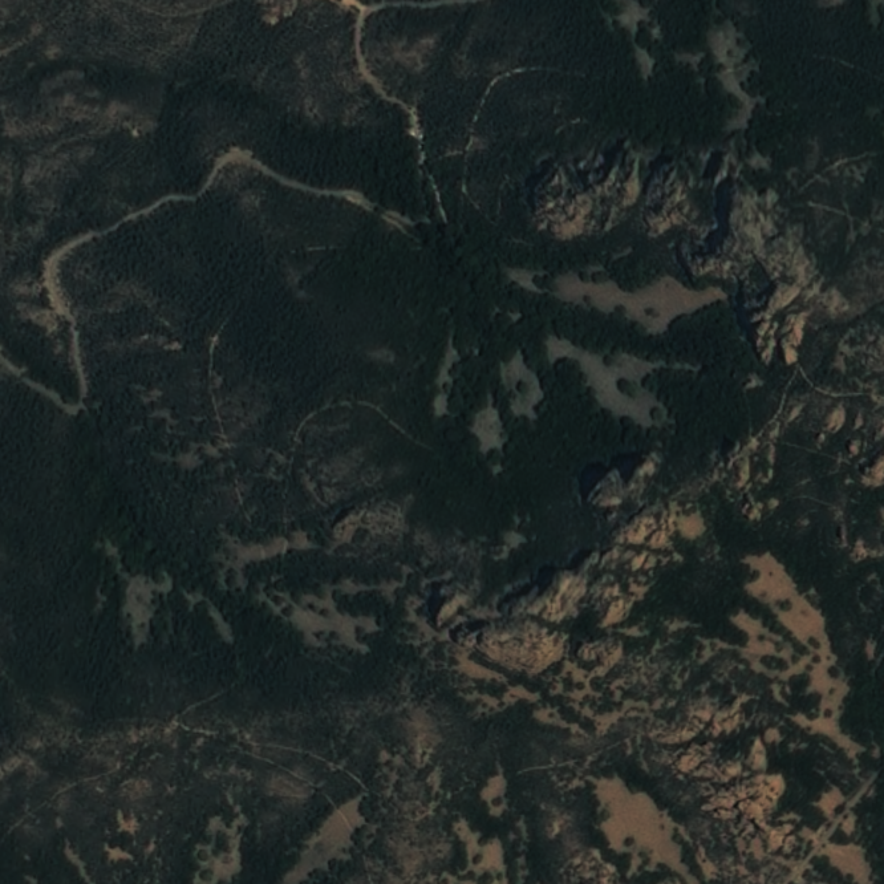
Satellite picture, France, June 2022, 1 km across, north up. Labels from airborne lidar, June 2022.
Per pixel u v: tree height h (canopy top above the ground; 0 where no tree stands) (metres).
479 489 6
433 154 10
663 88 8
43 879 6
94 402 9
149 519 8
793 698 6
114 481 7
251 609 9
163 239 7
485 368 13
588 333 8
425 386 7
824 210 0
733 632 6
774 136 6
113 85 8
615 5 8
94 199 6
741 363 13
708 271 33
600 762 7
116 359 7
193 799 6
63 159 0
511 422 8
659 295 0
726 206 6
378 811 7
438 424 9
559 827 0
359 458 0
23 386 9
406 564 6
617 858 6
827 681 0
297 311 8
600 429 9
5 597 11
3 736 8
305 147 10
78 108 0
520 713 9
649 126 8
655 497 7
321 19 6
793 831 7
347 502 7
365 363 6
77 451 8
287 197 11
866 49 9
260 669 7
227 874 0
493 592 6
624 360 0
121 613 8
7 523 7
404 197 15
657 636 9
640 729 0
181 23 6
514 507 9
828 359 8
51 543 11
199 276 9
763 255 0
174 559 15
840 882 6
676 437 8
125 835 8
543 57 7
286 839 7
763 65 6
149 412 8
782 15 8
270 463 9
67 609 8
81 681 8
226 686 7
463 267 20
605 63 10
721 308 13
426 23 6
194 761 7
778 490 6
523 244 7
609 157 6
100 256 9
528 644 0
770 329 7
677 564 5
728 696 8
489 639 0
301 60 0
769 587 0
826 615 6
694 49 8
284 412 8
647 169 14
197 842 8
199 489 7
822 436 12
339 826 0
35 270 6
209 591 8
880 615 5
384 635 6
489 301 16
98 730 6
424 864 0
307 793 0
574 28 8
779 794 44
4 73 8
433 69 6
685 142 7
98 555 6
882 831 6
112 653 10
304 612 0
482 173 6
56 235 7
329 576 9
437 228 13
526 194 11
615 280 7
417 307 6
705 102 9
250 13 8
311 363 9
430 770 7
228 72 12
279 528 10
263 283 12
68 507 12
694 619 6
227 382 6
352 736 7
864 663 8
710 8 8
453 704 6
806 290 0
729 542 6
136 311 8
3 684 7
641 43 8
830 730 0
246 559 0
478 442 10
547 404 10
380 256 8
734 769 0
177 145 9
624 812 0
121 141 8
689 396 6
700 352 14
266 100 8
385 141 8
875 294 0
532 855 6
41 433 8
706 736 9
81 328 12
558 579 0
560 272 8
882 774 7
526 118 7
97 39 7
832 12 10
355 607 9
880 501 7
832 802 0
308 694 8
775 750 9
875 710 6
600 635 12
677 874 7
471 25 8
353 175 10
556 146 6
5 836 8
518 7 8
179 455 9
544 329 12
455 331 11
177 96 7
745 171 9
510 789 6
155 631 11
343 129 10
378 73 7
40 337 8
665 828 0
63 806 0
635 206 6
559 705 7
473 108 8
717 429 7
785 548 7
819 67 9
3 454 9
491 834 8
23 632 8
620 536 0
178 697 0
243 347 7
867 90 8
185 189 9
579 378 9
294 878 0
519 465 7
